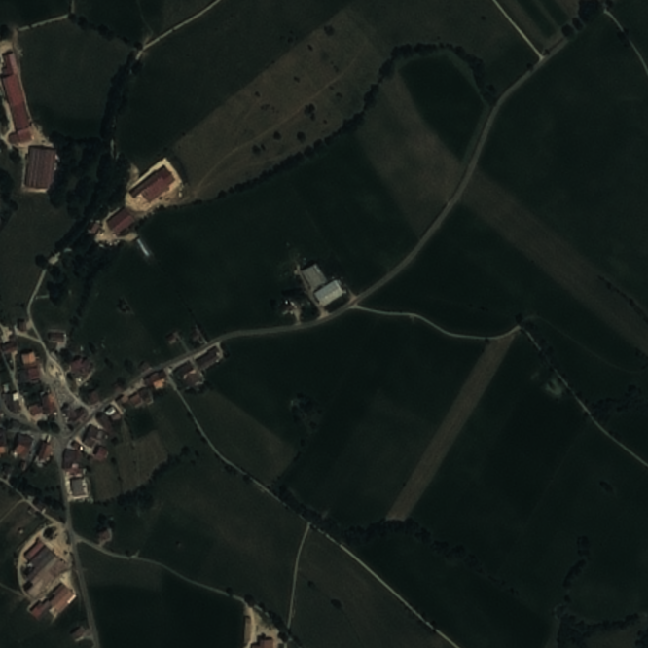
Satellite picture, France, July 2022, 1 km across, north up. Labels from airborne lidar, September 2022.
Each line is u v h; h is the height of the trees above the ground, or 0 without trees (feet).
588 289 0
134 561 0
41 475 0
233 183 0
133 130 0
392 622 0
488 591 0
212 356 0
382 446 0
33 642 0
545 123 0
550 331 0
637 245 0
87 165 63
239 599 0
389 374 0
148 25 0
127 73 62
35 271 0
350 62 0
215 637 0
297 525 0
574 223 0
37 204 0
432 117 0
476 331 0
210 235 0
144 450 0
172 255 0
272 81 0
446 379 0
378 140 0
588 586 0
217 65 0
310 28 0
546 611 0
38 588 0
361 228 0
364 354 0
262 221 0
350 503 0
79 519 0
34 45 0
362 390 0
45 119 0
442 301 0
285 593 0
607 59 0
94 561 0
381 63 0
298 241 0
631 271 0
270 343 0
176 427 0
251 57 0
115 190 54
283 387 0
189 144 0
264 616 0
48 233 0
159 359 0
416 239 0
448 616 0
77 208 36
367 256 0
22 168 0
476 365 0
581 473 0
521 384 0
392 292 0
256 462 0
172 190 0
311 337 0
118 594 0
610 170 0
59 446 0
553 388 36
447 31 0
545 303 0
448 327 0
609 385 0
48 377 0
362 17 0
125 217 0
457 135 0
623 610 0
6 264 0
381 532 59
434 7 0
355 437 0
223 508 0
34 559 0
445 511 0
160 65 0
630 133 0
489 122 0
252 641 0
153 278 0
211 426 0
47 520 0
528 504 0
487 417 0
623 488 0
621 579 0
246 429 0
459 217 0
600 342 0
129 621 0
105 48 0
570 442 0
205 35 0
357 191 0
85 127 0
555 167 0
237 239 0
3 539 0
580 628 20
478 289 0
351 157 0
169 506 0
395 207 0
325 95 0
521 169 0
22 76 0
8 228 0
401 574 0
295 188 0
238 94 0
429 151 0
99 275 55
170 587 0
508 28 0
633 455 0
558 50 0
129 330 0
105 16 0
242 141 0
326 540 0
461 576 0
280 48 0
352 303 0
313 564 0
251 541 0
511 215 0
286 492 51
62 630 0
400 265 0
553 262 0
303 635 0
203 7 0
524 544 0
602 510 0
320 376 0
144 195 0
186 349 0
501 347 0
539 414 0
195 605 0
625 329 0
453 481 0
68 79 0
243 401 0
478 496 0
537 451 0
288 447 0
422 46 40
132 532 0
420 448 0
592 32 0
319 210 0
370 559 0
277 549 0
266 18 0
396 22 0
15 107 0
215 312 0
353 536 48
